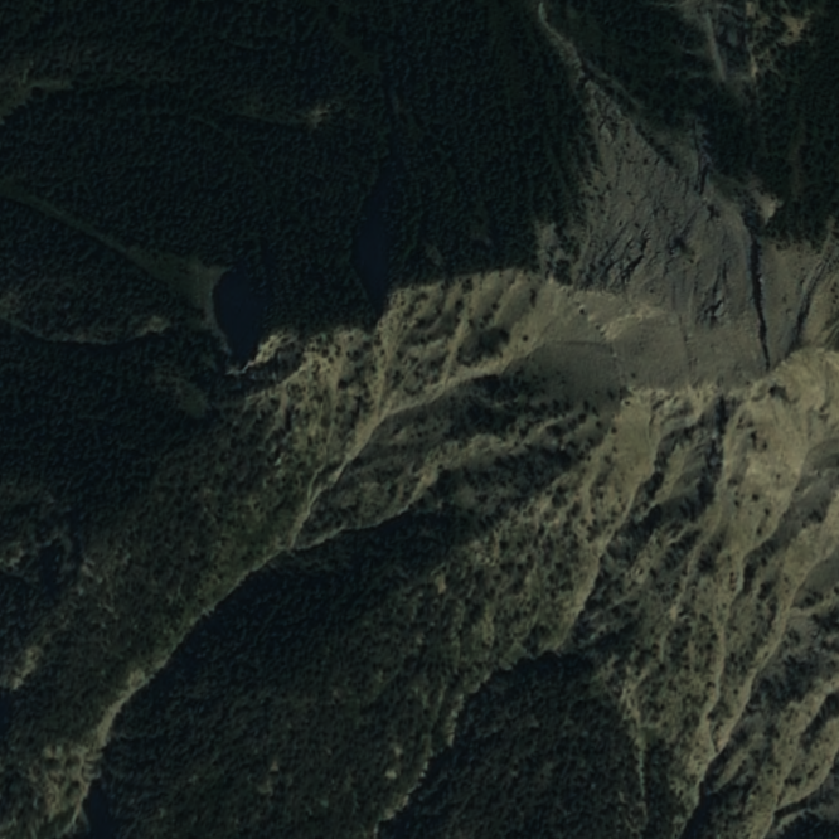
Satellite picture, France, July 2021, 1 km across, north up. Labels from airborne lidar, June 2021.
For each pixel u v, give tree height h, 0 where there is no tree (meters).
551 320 0
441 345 0
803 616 0
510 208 16
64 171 12
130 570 14
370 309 16
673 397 0
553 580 8
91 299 16
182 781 13
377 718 10
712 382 0
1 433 17
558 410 9
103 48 13
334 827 15
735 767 0
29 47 14
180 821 24
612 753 13
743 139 8
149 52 15
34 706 9
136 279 16
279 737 12
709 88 11
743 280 0
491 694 20
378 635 7
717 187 0
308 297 27
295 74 22
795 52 20
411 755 9
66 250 17
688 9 0
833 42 9
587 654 6
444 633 12
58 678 15
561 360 0
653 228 0
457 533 18
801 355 0
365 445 0
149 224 18
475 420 13
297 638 31
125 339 13
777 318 0
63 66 12
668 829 8
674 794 11
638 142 0
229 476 9
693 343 0
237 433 20
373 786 18
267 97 15
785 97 13
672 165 8
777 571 0
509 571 10
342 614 22
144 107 19
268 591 28
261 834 6
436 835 15
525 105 9
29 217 20
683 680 6
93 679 16
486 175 16
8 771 13
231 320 0
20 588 19
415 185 17
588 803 17
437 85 15
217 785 7
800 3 24
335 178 15
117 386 27
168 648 6
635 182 0
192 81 22
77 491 22
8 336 17
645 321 0
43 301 17
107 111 20
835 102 7
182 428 19
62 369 14
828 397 0
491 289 0
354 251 7
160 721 12
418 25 14
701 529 0
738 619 0
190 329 17
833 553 0
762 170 7
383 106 21
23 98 0
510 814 11
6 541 10
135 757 6
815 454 0
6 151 21
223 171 24
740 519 0
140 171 17
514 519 8
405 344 0
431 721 13
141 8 21
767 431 0
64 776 6
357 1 18
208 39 23
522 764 15
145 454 21
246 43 18
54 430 25
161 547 15
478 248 20
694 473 0
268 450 7
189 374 10
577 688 11
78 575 12
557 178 19
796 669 11
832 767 0
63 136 14
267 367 6
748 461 0
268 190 7
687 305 0
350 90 21
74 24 22
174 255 11
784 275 0
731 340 0
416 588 9
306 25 28
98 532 11
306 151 16
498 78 16
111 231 17
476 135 17
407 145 11
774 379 0
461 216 17
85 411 20
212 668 21
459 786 23
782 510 0
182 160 16
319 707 17
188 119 16
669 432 0
